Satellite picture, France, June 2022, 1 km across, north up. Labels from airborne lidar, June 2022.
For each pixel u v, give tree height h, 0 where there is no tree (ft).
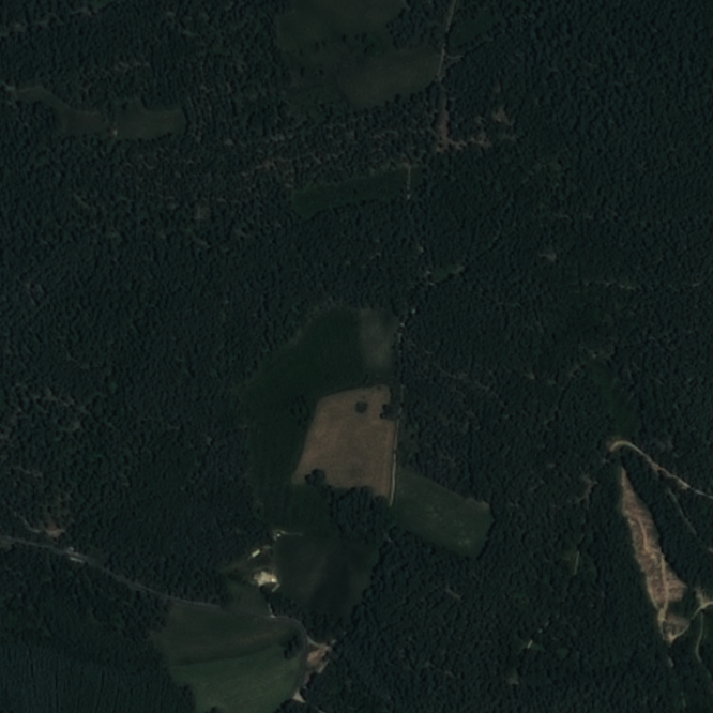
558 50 24
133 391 66
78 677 58
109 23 72
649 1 75
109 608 38
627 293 41
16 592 55
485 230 62
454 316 73
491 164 66
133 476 53
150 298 53
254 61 56
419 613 69
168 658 0
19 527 51
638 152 70
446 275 0
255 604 0
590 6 60
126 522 58
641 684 81
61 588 54
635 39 65
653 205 70
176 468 53
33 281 72
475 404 41
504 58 54
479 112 68
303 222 76
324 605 0
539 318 72
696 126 81
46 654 30
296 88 0
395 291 83
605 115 85
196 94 64
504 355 72
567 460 90
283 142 42
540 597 61
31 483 56
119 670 38
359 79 0
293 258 72
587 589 77
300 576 0
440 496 0
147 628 41
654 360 75
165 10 71
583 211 73
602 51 73
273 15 51
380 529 79
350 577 0
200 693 0
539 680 48
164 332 61
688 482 28
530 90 49
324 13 0
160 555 58
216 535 76
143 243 59
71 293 68
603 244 58
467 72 64
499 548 66
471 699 76
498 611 68
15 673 46
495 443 75
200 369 75
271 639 0
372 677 70
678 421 82
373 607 69
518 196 55
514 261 77
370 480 0
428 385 57
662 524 78
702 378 53
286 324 64
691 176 56
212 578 57
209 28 47
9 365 39
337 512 52
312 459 0
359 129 56
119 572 49
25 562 50
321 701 75
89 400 52
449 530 0
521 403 79
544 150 38
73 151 63
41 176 81
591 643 83
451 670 72
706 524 44
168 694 57
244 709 0
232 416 56
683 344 80
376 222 78
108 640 70
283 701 0
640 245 60
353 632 44
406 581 70
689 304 65
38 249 37
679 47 71
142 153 71
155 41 58
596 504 77
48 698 33
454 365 53
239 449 61
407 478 0
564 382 69
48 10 77
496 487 83
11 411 33
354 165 62
